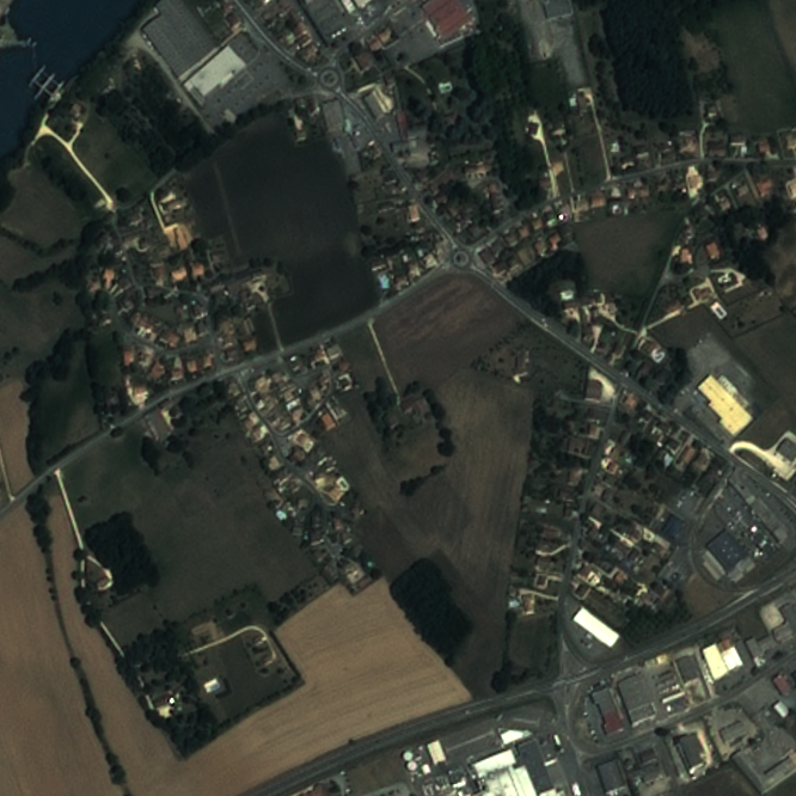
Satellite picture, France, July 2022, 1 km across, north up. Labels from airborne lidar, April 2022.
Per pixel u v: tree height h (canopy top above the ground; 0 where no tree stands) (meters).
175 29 0
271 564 0
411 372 0
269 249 0
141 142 15
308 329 0
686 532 0
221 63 0
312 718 0
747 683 0
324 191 0
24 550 0
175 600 0
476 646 0
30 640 0
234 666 0
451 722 0
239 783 0
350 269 0
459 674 0
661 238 0
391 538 0
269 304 0
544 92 0
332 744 0
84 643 0
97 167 0
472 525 0
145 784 0
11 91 0
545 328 0
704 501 0
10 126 0
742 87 0
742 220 17
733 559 0
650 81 24
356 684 0
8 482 0
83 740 0
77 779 0
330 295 0
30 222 0
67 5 0
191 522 0
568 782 0
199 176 0
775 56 0
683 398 0
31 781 0
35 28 0
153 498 0
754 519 0
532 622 0
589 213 0
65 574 0
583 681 0
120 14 0
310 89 0
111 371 0
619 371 0
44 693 0
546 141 0
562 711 0
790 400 0
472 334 0
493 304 0
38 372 18
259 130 0
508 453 0
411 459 0
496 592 0
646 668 0
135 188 0
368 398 10
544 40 0
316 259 0
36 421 14
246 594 0
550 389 0
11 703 0
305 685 0
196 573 0
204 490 0
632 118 0
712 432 0
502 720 0
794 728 0
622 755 0
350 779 0
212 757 0
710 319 0
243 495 0
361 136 0
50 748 0
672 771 0
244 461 6
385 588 0
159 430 0
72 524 0
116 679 0
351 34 0
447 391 0
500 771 0
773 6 0
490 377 0
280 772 0
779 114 0
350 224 0
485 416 0
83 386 0
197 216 0
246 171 0
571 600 0
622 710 0
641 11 21
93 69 6
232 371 0
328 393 0
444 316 0
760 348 0
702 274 0
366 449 0
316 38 0
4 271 0
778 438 0
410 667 0
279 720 0
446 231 0
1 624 0
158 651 15
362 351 0
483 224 8
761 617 0
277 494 0
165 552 0
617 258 0
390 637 0
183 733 11
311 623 0
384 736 0
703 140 0
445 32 0
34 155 0
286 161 0
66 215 0
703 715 0
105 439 0
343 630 0
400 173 0
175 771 0
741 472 0
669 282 0
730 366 0
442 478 0
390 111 0
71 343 8
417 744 0
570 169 0
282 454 0
